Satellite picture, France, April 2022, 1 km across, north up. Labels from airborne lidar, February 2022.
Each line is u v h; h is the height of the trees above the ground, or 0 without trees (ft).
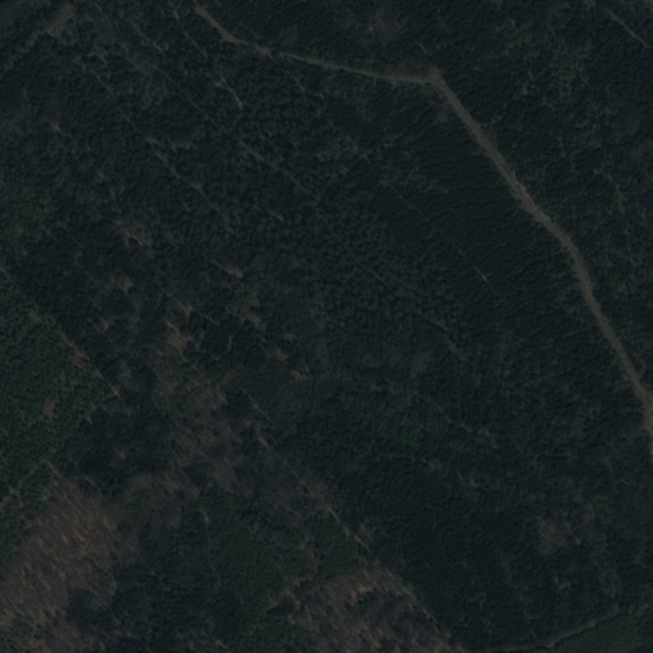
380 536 53
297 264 70
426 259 82
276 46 32
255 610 51
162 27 46
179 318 67
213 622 61
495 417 59
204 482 59
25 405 44
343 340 102
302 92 101
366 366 83
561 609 50
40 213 42
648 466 55
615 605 61
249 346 51
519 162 34
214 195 78
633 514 47
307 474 61
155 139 61
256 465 59
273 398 21
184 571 41
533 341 45
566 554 44
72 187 52
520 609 58
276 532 85
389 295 40
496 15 52
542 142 33
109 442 52
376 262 39
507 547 52
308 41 23
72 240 60
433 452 41
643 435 44
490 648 56
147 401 52
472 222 35
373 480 53
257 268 90
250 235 68
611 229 57
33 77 54
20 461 52
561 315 51
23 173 44
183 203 70
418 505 43
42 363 50
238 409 65
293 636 60
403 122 29
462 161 37
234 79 43
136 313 38
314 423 45
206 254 94
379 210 35
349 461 54
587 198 42
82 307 56
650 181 64
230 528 46
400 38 64
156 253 58
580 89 48
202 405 43
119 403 44
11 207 46
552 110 39
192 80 39
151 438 29
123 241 60
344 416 44
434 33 47
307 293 99
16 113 64
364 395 20
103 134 58
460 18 49
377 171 30
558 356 43
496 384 51
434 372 82
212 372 27
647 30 66
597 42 41
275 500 61
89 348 48
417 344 72
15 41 28
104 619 92
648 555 53
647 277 65
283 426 18
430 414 43
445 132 36
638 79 83
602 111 40
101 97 83
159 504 55
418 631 64
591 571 45
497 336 49
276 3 41
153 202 62
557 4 47
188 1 35
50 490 72
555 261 45
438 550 62
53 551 73
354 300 136
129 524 43
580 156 27
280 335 69
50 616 58
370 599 39
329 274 92
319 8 32
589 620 37
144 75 31
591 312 43
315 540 57
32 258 41
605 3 60
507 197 24
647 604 56
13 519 43
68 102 83
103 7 39
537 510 44
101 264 52
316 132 39
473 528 62
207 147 69
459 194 20
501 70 47
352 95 33
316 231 98
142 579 54
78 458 57
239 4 31
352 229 109
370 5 44
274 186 80
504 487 38
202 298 73
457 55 51
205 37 45
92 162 49
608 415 50
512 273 38
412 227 33
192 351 53
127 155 50
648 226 91
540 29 49
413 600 67
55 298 40
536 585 47
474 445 41
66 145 45
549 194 31
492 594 59
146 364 44
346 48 34
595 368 52
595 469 49
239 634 48
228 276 51
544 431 47
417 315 69
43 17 61
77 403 50
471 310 42
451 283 35
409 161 24
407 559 57
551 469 62
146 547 63
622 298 36
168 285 58
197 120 126
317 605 68
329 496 63
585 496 56
